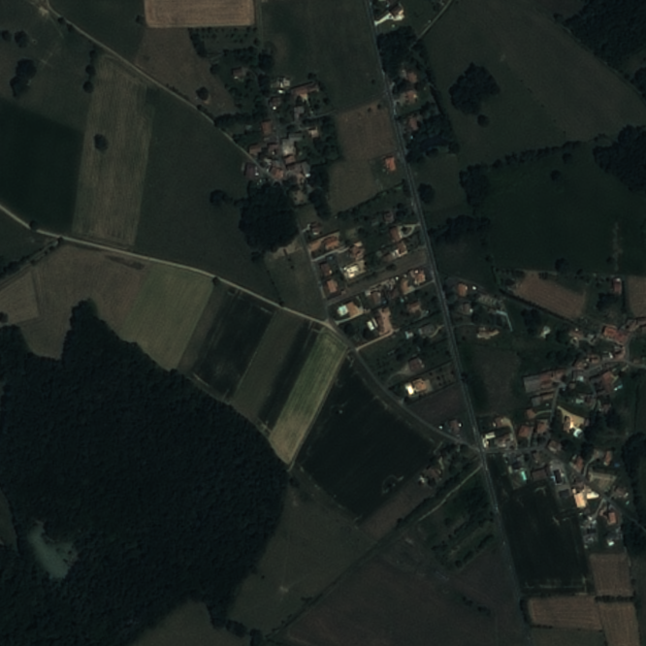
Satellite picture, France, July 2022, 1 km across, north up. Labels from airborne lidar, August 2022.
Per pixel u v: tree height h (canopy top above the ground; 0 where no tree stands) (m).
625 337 0
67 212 0
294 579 0
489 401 0
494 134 0
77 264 0
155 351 0
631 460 12
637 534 8
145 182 0
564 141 0
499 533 0
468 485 0
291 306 0
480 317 10
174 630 0
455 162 0
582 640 0
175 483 20
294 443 0
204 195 0
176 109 0
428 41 0
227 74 0
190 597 18
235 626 15
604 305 16
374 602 0
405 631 0
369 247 0
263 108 9
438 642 0
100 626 23
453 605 0
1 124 0
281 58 0
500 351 0
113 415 18
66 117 0
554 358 6
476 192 23
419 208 0
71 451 17
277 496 16
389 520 0
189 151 0
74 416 15
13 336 18
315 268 0
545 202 0
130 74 0
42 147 0
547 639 0
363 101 0
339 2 0
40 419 21
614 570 0
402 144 0
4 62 0
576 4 0
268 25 0
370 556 0
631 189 16
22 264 6
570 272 10
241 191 0
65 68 0
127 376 17
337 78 0
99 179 0
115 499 20
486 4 0
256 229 15
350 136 0
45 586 18
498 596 0
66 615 11
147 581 18
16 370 18
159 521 17
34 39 0
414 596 0
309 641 0
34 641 9
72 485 17
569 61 0
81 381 16
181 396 15
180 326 0
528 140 0
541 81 0
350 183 0
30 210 0
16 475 21
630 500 0
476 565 0
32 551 6
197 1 0
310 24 0
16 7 0
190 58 0
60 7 0
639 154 24
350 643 0
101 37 0
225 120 17
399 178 0
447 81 0
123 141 0
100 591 22
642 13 19
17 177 0
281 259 0
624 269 0
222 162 0
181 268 0
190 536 17
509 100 0
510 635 0
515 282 0
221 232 0
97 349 18
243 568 20
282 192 11
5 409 18
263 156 10
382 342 0
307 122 12
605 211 0
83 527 17
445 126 21
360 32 0
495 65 0
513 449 6
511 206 0
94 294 0
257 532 15
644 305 0
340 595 0
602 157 18
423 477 7
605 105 0
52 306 0
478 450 0
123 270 0
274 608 0
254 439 18
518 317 0
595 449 10
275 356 0
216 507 18
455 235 18
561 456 0
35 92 0
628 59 10
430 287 0
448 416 0
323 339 0
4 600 22
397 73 17
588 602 0
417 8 0
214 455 18
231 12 0
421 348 10
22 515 22
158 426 18
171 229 0
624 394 0
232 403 0
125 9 0
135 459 17
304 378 0
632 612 0
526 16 0
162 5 0
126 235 0
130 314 0
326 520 0
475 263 0
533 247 0
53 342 0
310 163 6
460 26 0
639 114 0
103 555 14
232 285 0
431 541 0
